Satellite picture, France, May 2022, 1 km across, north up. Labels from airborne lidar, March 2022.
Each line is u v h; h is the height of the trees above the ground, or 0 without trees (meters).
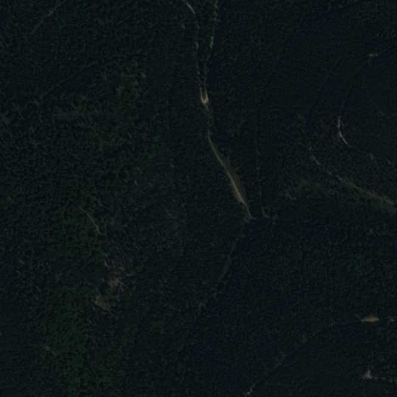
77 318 23
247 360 30
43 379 20
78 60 8
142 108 22
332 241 30
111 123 9
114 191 32
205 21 25
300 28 24
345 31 25
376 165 29
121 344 25
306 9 27
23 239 22
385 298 28
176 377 25
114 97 8
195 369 27
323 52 20
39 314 23
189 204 28
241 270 24
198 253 25
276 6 24
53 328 23
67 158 30
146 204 26
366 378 0
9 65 14
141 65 17
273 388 9
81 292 26
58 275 19
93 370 32
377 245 26
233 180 0
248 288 24
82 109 25
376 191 29
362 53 22
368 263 30
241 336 28
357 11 26
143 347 25
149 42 10
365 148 18
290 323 28
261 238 27
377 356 26
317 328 21
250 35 26
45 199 27
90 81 26
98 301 0
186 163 26
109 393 25
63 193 29
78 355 26
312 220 27
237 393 23
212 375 27
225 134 33
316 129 28
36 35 9
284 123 8
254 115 21
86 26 8
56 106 25
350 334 23
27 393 18
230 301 27
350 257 28
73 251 26
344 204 9
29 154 31
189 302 21
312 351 16
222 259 29
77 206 27
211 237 28
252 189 30
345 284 25
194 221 27
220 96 29
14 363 18
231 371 28
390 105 23
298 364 16
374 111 19
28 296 22
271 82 21
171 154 29
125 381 26
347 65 21
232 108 27
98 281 23
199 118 27
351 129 22
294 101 19
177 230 30
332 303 25
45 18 0
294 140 35
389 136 20
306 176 30
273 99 21
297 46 24
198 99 26
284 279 29
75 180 29
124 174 34
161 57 21
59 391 24
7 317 20
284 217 24
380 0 23
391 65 27
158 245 24
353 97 17
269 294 29
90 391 29
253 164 30
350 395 7
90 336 22
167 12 9
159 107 27
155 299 19
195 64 17
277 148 10
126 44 11
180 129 28
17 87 10
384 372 27
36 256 25
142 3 8
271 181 11
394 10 25
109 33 15
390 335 27
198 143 23
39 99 30
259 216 29
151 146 28
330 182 36
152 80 28
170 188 34
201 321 14
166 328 27
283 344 24
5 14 11
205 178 29
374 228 23
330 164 31
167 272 25
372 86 22
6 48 29
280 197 13
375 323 0
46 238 24
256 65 17
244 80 27
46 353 19
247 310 30
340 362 17
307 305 28
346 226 29
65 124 0
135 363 21
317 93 20
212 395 29
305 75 21
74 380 23
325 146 31
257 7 26
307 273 29
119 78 7
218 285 18
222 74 28
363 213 14
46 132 36
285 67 20
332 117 9
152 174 33
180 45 24
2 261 18
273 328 26
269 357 23
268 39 27
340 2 23
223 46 31
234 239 23
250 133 28
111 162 30
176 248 30
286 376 8
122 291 30
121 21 9
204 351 22
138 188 33
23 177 28
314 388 13
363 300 29
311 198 8
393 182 28
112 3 15
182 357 23
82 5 17
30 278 22
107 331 24
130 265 25
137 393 27
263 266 17
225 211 28
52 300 24
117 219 33
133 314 17
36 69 10
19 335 18
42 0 31
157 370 27
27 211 24
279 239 32
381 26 25
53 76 10
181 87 26
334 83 20
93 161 30
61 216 23
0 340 17
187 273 28
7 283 22
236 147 24
